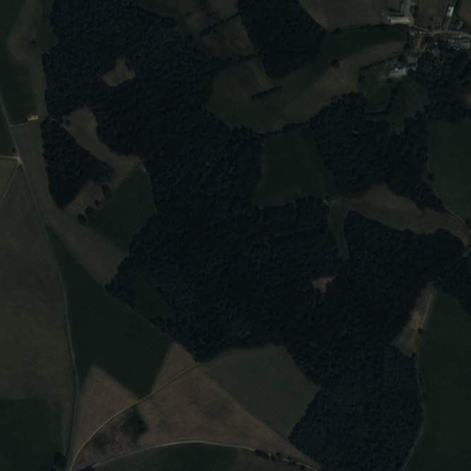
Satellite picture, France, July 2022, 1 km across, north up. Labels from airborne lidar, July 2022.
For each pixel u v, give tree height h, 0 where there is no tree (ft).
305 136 0
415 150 26
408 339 0
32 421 0
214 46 0
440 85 38
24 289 0
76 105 62
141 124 91
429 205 63
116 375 0
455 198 0
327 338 56
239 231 89
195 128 95
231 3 0
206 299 87
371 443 56
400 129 0
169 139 93
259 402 0
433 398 0
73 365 0
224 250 80
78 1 80
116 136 86
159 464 0
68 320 0
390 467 79
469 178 0
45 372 0
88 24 77
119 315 0
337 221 0
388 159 77
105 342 0
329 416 96
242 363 0
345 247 0
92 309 0
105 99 69
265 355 0
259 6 104
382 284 46
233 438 0
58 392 0
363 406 32
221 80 0
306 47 80
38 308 0
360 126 77
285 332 78
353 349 74
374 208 0
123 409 0
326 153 57
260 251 75
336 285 78
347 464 58
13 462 0
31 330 0
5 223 0
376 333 75
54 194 71
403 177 89
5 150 0
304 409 0
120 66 0
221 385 0
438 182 0
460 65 70
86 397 0
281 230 81
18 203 0
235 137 53
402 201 0
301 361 56
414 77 30
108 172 49
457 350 0
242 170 94
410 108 0
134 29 91
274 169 0
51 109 51
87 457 0
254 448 0
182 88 94
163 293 76
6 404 0
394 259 79
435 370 0
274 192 0
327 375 41
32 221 0
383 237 65
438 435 0
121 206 0
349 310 57
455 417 0
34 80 0
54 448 0
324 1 0
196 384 0
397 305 69
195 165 96
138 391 0
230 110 0
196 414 0
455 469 0
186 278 98
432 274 54
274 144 0
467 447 0
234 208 72
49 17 0
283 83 0
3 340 0
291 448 0
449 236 87
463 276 96
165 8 0
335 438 77
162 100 98
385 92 0
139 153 75
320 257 45
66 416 0
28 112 0
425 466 0
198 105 92
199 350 66
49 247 0
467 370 0
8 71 0
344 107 84
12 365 0
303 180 0
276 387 0
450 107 63
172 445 0
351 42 0
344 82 0
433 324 0
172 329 71
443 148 0
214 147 88
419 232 0
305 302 86
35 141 0
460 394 0
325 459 82
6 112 0
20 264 0
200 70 66
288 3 84
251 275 91
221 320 87
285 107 0
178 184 82
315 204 66
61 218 0
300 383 0
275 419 0
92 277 0
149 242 63
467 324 0
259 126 0
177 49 54
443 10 0
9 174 0
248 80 0
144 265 69
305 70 0
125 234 0
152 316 0
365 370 108
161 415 0
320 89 0
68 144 84
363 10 0
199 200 86
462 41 0
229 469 0
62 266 0
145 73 86
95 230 0
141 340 0
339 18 0
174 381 0
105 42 72
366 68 25
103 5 87
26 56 0
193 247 89
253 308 97
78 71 50
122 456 0
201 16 0
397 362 90
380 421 78
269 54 84
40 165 0
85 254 0
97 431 0
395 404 68
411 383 69
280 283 93
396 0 0
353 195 61
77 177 80
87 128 0
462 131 0
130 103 82
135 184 0
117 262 0
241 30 0
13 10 0
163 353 0
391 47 0
